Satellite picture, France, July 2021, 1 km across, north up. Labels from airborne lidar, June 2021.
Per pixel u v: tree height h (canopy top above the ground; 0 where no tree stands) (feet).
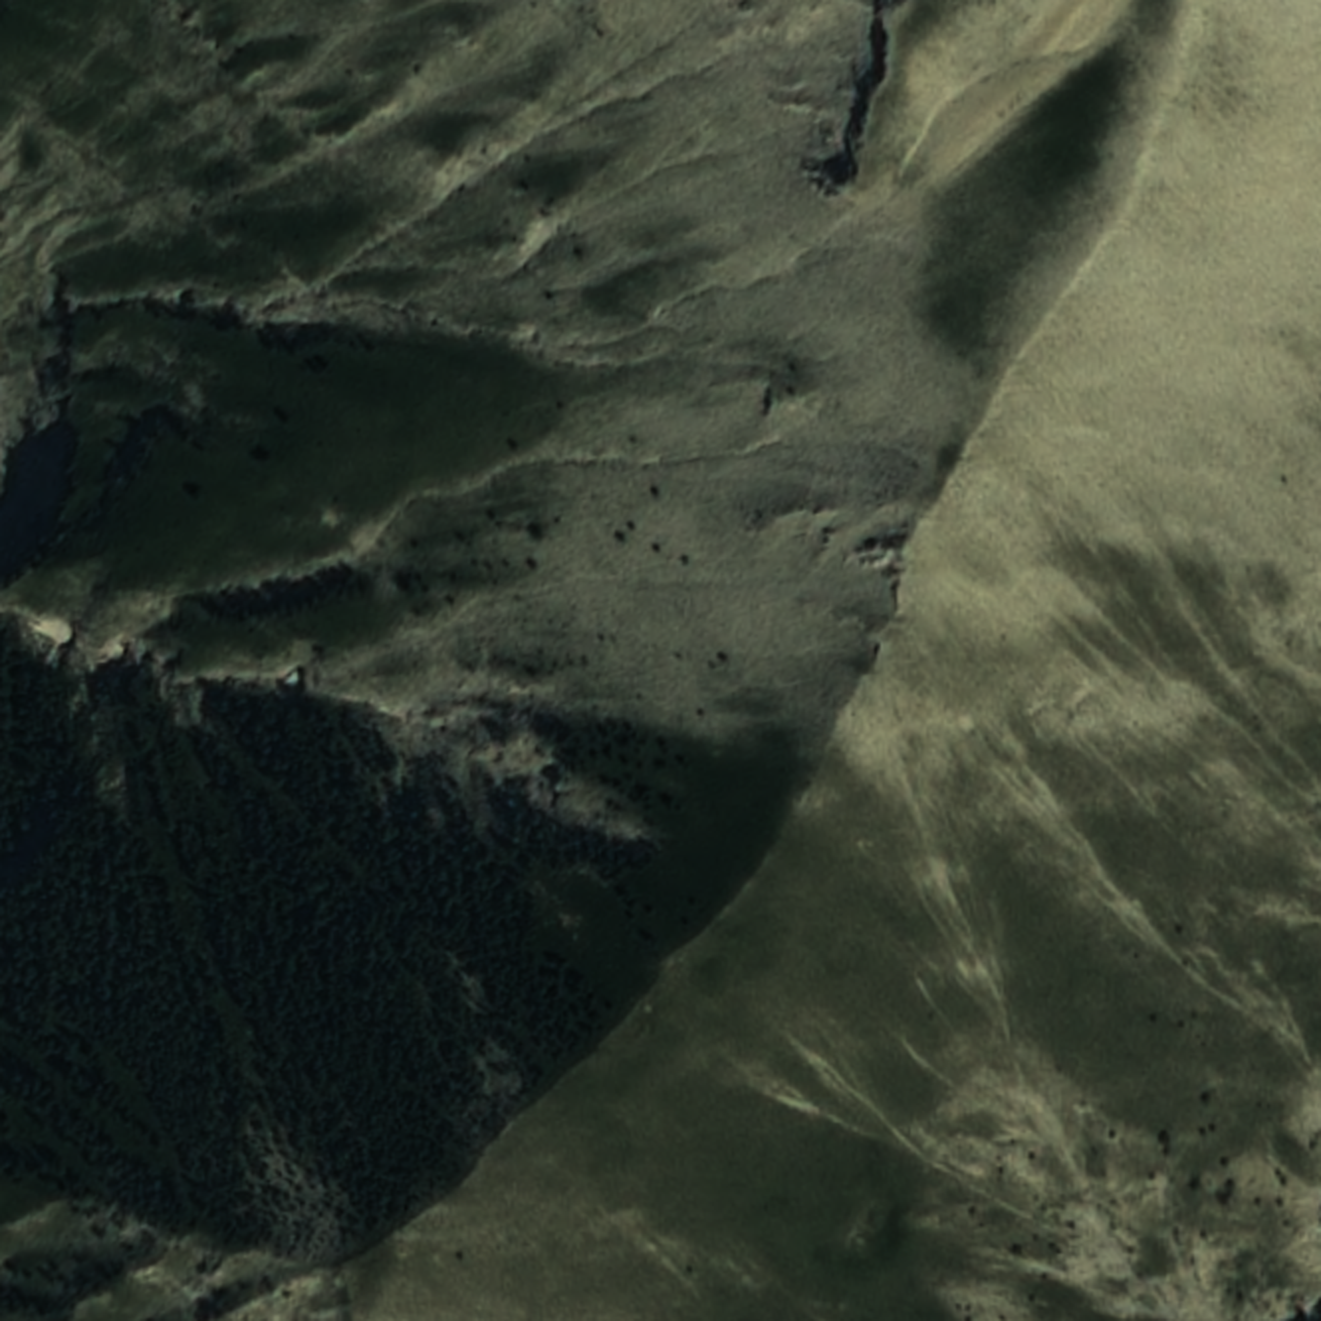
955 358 0
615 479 0
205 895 57
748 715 0
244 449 0
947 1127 0
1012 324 0
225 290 0
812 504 0
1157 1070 0
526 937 42
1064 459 0
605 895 0
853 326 0
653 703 0
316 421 0
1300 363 0
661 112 0
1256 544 0
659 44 0
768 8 0
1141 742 0
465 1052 31
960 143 0
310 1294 0
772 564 0
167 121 0
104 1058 61
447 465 0
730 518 0
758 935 0
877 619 0
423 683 0
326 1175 21
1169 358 0
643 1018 0
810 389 0
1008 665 0
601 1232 0
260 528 0
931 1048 0
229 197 0
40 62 0
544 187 0
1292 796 0
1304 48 0
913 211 0
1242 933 0
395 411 0
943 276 0
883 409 0
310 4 0
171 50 0
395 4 0
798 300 0
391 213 0
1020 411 0
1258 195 0
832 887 0
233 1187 29
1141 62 0
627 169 0
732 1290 0
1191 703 0
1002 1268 0
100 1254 0
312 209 0
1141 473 0
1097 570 0
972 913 0
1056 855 0
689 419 0
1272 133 0
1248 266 0
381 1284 0
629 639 0
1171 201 0
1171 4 0
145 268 0
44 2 0
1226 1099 0
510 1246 0
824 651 0
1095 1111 0
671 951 0
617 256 0
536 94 0
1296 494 0
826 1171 0
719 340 0
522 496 0
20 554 26
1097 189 0
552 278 0
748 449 0
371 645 0
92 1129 54
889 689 0
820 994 0
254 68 0
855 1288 0
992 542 0
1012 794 0
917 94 0
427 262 0
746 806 0
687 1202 0
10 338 0
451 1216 0
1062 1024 0
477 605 0
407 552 0
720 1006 0
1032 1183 0
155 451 0
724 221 0
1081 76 0
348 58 0
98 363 0
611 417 0
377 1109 64
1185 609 0
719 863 0
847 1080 0
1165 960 0
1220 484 0
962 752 0
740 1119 0
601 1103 0
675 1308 0
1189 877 0
